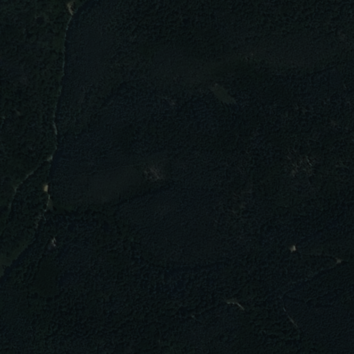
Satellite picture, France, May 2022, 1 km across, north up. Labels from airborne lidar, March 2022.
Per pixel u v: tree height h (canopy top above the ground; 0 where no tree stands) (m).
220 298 20
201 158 25
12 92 12
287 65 12
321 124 19
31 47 22
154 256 25
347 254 17
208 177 24
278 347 30
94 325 19
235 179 14
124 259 21
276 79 21
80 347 19
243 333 17
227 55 16
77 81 16
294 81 24
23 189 22
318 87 23
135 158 27
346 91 19
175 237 21
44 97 17
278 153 19
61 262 26
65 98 18
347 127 21
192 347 13
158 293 22
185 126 20
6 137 26
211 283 24
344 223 19
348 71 19
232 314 21
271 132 19
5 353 33
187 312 25
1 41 21
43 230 20
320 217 25
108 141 22
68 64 23
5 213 24
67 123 14
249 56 15
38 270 12
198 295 25
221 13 18
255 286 26
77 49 17
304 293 16
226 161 17
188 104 24
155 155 23
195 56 18
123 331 26
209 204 32
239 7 17
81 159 19
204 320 19
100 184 14
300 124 21
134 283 26
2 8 22
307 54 16
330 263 24
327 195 15
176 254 16
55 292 12
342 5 10
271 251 13
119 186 14
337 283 13
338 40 22
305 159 18
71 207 15
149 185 10
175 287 21
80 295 8
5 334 31
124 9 17
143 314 23
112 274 20
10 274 21
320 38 21
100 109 26
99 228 31
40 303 21
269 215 22
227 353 16
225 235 29
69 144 17
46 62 28
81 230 20
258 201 34
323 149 20
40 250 25
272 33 16
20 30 24
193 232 24
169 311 26
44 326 24
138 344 25
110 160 25
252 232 26
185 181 23
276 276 23
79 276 22
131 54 24
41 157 18
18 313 17
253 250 19
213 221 23
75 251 31
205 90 21
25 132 29
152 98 34
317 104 21
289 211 18
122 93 22
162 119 16
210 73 17
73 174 27
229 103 0
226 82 24
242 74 23
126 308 18
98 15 20
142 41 17
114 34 15
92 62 15
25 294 15
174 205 15
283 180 16
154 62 15
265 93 18
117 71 21
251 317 22
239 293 27
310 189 20
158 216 17
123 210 24
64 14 20
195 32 16
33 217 13
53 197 16
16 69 27
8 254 25
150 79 17
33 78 29
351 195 21
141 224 26
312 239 25
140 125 29
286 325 27
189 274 35
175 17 26
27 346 21
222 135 18
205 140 14
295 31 14
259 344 18
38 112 23
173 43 18
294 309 24
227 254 29
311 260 17
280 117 23
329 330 26
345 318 27
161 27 25
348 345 25
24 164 19
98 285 24
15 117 22
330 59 19
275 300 32
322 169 18
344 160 15
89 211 26
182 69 15
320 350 27
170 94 25
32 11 26
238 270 30
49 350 16
